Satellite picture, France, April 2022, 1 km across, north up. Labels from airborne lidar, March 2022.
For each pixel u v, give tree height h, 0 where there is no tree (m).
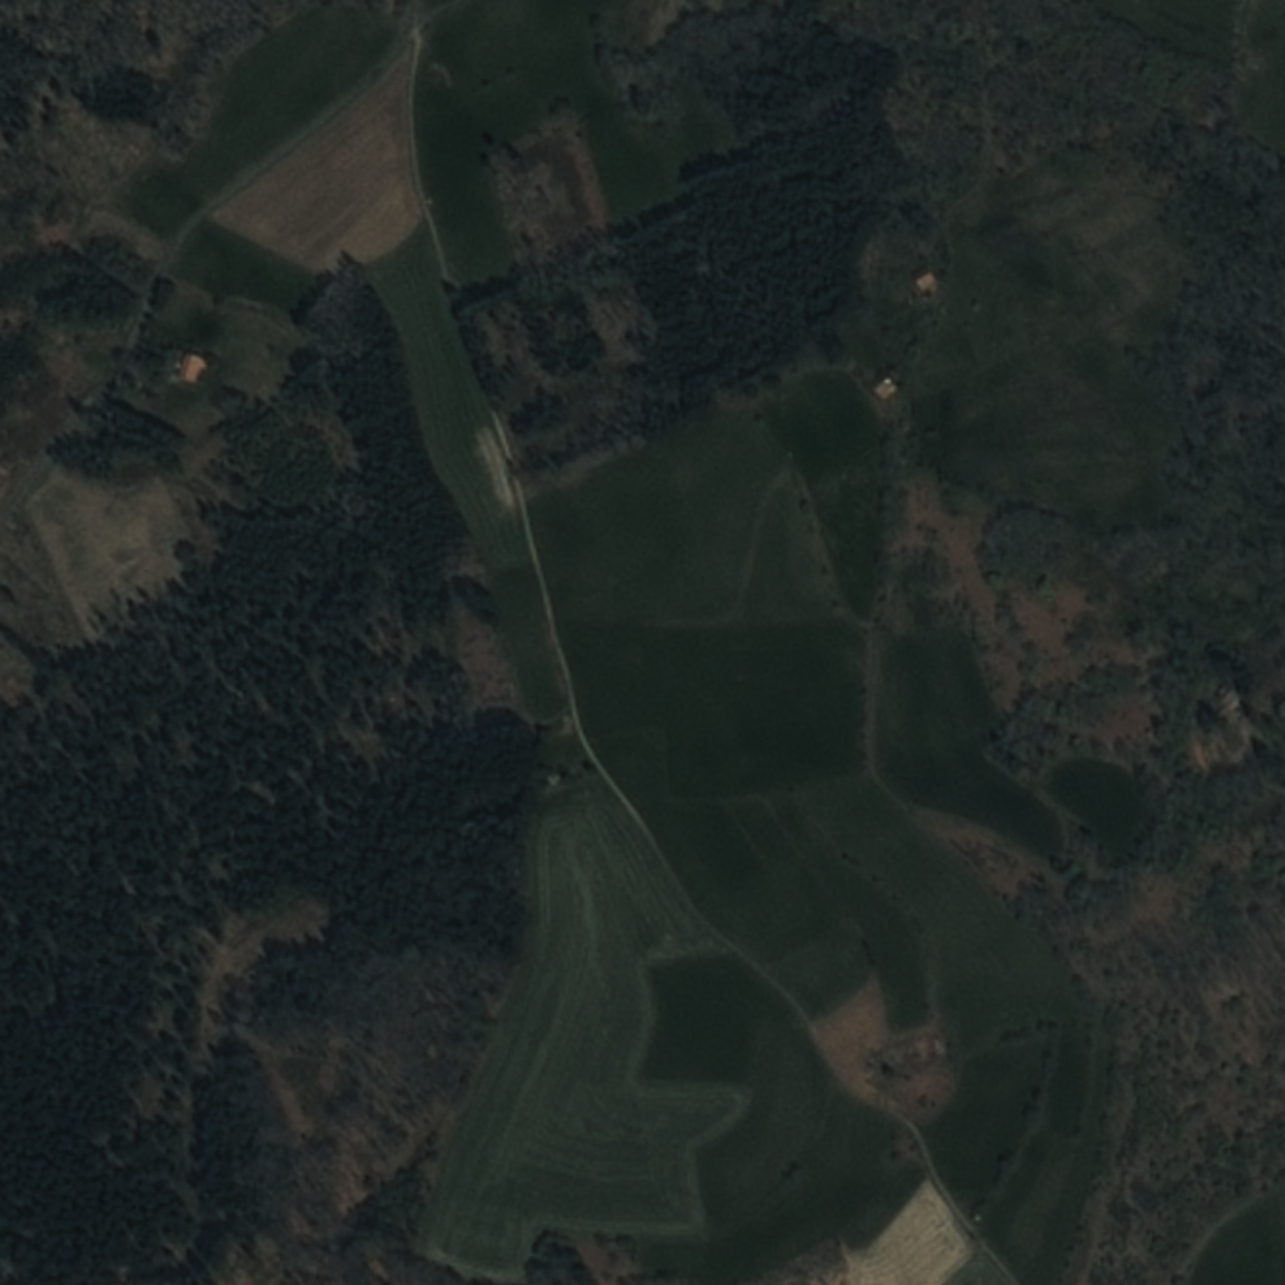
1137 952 15
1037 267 0
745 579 0
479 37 0
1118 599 0
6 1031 29
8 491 0
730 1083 0
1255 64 0
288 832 30
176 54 0
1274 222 25
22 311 5
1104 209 0
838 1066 0
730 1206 0
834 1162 0
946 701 0
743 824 0
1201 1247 0
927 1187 0
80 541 0
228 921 13
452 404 0
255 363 0
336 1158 24
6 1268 35
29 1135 28
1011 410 0
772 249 25
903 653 0
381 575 10
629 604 0
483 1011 28
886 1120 0
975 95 17
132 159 0
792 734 0
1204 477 19
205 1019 30
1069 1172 0
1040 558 22
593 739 0
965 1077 0
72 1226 32
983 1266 0
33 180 23
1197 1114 7
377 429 30
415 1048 26
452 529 27
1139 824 0
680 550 0
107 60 21
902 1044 0
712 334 9
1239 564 16
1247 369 26
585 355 14
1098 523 0
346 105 0
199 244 0
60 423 0
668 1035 0
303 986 23
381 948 24
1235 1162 8
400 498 31
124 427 25
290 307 0
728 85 23
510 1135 0
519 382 16
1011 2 21
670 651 0
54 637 0
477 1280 0
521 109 0
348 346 21
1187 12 0
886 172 24
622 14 0
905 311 0
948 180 18
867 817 0
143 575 0
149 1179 19
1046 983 0
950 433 0
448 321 0
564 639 0
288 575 23
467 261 0
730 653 0
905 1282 0
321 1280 19
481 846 27
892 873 0
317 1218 28
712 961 0
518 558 0
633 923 0
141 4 22
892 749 0
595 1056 0
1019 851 0
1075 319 0
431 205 0
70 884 32
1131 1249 0
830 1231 0
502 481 0
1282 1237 0
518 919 26
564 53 0
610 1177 0
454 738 25
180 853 30
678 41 19
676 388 23
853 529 0
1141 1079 7
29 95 22
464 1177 0
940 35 17
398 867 32
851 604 0
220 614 31
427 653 0
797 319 29
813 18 24
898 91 10
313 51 0
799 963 0
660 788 0
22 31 19
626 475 0
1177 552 21
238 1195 22
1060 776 0
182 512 0
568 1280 23
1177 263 0
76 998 29
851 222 28
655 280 25
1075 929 15
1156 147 10
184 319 0
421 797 33
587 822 0
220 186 0
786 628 0
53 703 30
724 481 0
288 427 8
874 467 0
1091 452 0
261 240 0
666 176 0
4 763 25
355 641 29
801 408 0
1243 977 14
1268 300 28
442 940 22
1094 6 12
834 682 0
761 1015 0
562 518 0
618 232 0
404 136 0
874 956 0
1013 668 0
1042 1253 0
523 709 0
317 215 0
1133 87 12
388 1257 30
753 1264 0
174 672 27
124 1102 28
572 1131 0
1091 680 8
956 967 0
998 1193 9
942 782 0
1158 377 22
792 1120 0
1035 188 0
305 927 0
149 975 29
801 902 0
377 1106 22
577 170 0
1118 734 0
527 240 0
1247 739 0
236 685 33
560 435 18
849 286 26
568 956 0
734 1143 0
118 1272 22
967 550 0
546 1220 0
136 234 0
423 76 0
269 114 0
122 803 25
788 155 28
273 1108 24
